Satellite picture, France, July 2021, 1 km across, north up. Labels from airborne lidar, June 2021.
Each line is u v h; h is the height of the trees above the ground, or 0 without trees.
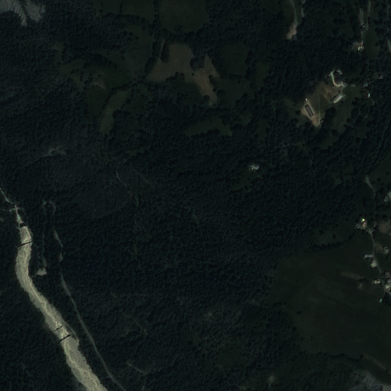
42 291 14
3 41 12
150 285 25
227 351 6
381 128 20
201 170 16
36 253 13
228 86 0
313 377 10
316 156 15
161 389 24
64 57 14
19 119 17
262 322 10
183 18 0
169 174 19
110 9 0
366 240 0
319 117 0
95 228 20
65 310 10
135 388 17
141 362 12
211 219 10
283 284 0
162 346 13
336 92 0
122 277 27
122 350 26
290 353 19
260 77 0
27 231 0
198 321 11
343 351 0
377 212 18
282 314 16
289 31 11
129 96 0
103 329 21
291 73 24
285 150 6
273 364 23
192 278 26
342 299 0
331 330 0
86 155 17
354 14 11
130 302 15
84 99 10
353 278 0
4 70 10
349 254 0
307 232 25
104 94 0
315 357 8
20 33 12
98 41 19
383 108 17
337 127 0
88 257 13
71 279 20
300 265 0
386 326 0
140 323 17
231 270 11
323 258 0
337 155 12
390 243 0
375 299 0
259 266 19
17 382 10
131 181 20
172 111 34
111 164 13
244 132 22
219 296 21
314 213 16
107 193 18
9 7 0
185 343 20
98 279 22
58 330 0
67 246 28
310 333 0
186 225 17
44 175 14
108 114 0
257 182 17
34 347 29
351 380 6
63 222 7
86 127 16
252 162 21
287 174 24
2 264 19
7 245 20
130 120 25
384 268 0
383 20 16
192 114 16
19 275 0
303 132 14
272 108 16
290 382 10
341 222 0
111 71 0
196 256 18
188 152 20
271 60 20
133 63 0
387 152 21
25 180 21
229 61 0
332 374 20
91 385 0
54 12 15
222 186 19
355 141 7
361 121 15
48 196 15
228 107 12
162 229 17
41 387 20
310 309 0
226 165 30
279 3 7
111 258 33
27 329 12
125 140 23
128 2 0
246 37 27
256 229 6
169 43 15
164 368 10
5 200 6
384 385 0
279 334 20
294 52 22
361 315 0
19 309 19
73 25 31
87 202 11
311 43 25
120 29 12
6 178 15
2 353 17
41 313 7
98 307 10
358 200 11
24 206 16
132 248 19
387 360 0
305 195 17
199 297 13
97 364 22
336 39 13
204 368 11
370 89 22
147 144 20
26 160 14
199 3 0
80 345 8
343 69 20
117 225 16
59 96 20
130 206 8
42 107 18
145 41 0
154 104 14
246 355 13
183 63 0
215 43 24
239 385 17
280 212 7
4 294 13
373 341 0
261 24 22
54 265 24
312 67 22
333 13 17
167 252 17
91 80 12
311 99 0
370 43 0
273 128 14
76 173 18
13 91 15
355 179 18
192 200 21
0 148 21
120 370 6
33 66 6
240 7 17
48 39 9
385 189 13
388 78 7
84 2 15
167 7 0
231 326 8
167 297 7
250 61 20
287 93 20
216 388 18
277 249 22
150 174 14
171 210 18
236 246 16
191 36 21
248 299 10
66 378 9
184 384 18
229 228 11
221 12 11
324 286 0
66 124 22
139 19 17
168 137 20
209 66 0
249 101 13
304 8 13
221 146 25
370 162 20
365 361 0
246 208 30
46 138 13
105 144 17
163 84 10
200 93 0
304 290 0
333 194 20
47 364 24
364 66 11
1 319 15
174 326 19
